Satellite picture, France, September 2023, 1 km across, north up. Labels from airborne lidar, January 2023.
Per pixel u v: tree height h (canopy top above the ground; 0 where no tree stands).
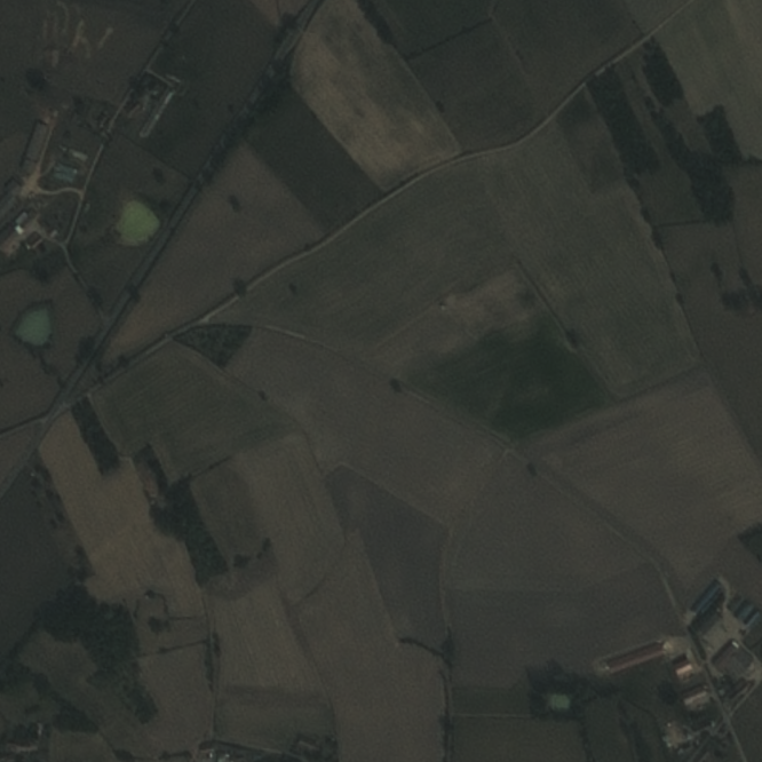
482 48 0
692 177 21
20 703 0
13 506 0
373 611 0
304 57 0
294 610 0
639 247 0
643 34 0
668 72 11
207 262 0
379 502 0
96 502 0
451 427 0
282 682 0
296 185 0
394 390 9
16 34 0
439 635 0
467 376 0
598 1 0
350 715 0
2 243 0
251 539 0
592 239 0
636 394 0
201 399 0
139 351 0
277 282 0
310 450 0
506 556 0
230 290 0
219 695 0
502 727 0
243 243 0
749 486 0
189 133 0
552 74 0
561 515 0
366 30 0
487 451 0
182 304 0
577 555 0
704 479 0
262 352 0
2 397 0
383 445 0
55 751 0
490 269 0
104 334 0
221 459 0
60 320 0
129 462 0
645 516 0
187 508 11
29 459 0
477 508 0
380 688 0
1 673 19
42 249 13
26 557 0
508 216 0
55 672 0
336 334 0
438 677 0
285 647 0
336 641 0
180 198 0
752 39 0
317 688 0
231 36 0
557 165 0
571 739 0
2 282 0
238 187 0
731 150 11
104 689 6
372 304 0
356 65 0
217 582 0
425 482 0
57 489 0
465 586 0
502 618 0
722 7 0
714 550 0
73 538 0
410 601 0
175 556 0
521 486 0
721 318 0
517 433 0
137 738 0
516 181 0
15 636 0
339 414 0
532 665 0
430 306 0
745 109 0
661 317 0
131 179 0
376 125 0
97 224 0
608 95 9
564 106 0
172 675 0
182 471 0
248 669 0
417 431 0
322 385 0
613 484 0
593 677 0
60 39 0
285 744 0
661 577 0
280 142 0
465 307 0
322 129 0
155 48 0
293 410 0
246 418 0
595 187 0
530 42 0
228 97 0
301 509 0
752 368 0
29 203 0
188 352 0
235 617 0
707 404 0
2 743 7
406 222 0
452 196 0
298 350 0
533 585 0
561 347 0
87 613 14
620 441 0
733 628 0
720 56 0
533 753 0
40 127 0
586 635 0
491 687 0
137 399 0
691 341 0
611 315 0
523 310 0
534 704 15
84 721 9
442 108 8
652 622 0
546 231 0
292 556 0
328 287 0
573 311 0
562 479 0
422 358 0
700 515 0
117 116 0
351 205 0
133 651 9
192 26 0
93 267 0
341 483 0
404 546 0
